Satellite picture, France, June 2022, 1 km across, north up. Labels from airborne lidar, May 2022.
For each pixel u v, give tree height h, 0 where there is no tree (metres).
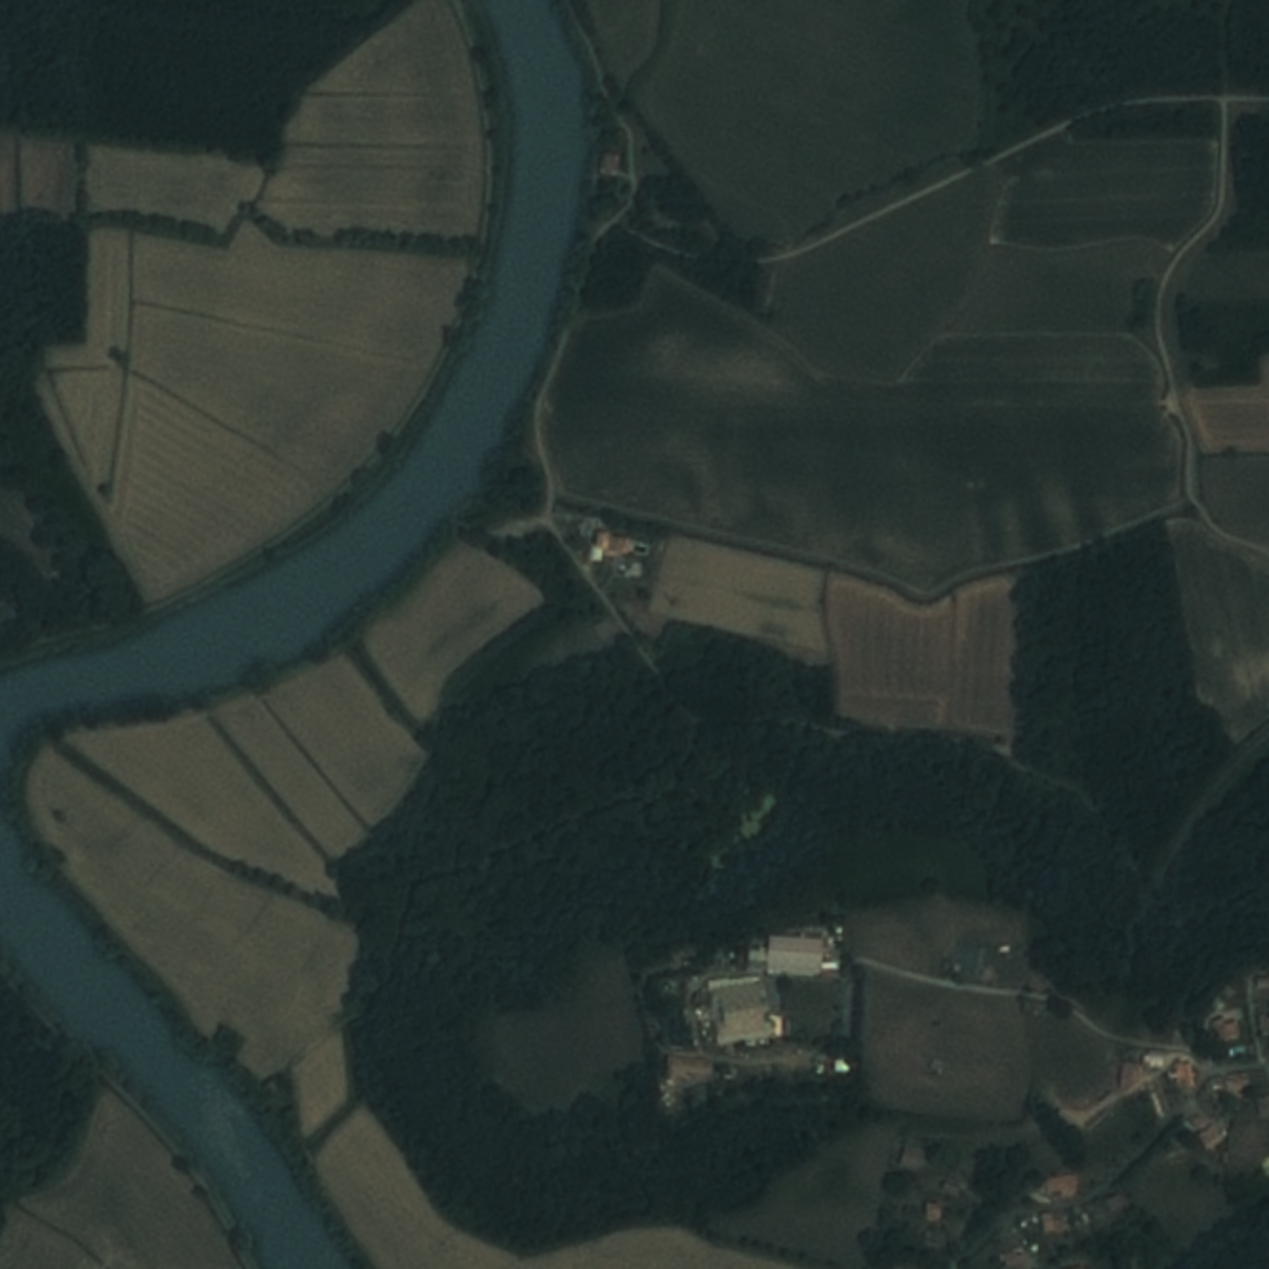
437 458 0
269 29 12
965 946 0
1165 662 13
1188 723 22
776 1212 0
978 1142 0
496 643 7
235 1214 0
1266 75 11
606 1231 15
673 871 14
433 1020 17
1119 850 18
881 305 0
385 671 0
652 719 16
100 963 0
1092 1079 0
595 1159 28
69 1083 28
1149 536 8
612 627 0
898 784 18
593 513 15
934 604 0
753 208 0
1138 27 11
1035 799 10
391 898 10
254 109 10
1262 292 0
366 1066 11
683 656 11
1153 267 0
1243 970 10
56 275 22
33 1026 29
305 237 16
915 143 0
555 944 20
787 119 0
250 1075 21
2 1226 13
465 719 15
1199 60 10
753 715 14
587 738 20
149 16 13
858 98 0
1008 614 0
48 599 26
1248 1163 0
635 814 8
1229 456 6
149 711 20
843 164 0
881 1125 12
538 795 13
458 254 15
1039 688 9
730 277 13
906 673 0
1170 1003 13
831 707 17
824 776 19
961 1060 0
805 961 0
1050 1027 0
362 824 0
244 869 8
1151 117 12
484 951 11
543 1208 9
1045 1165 0
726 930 14
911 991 0
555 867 18
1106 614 16
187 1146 6
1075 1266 0
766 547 0
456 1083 23
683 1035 7
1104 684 15
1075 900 18
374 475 6
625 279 11
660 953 8
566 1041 0
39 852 10
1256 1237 27
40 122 18
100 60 14
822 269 0
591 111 15
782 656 6
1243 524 0
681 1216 20
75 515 0
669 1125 19
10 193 0
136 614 24
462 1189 16
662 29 0
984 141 0
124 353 14
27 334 19
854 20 0
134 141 15
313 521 0
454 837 8
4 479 21
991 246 0
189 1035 18
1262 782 17
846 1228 0
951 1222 7
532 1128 17
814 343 0
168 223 15
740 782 14
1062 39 9
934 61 0
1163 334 0
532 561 6
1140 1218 8
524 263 0
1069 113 9
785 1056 0
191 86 10
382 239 16
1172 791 17
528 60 0
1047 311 0
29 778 0
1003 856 16
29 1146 27
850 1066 11
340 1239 16
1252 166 17
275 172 12
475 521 8
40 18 23
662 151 9
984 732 0
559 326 12
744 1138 24
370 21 7
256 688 23
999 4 7
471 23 0
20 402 22
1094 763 15
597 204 18
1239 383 0
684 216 13
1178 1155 0
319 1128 0
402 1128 14
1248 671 0
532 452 0
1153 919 8
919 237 0
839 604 0
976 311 0
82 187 8
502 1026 0
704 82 0
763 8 0
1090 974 21
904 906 0
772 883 23
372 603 17
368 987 23
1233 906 9
